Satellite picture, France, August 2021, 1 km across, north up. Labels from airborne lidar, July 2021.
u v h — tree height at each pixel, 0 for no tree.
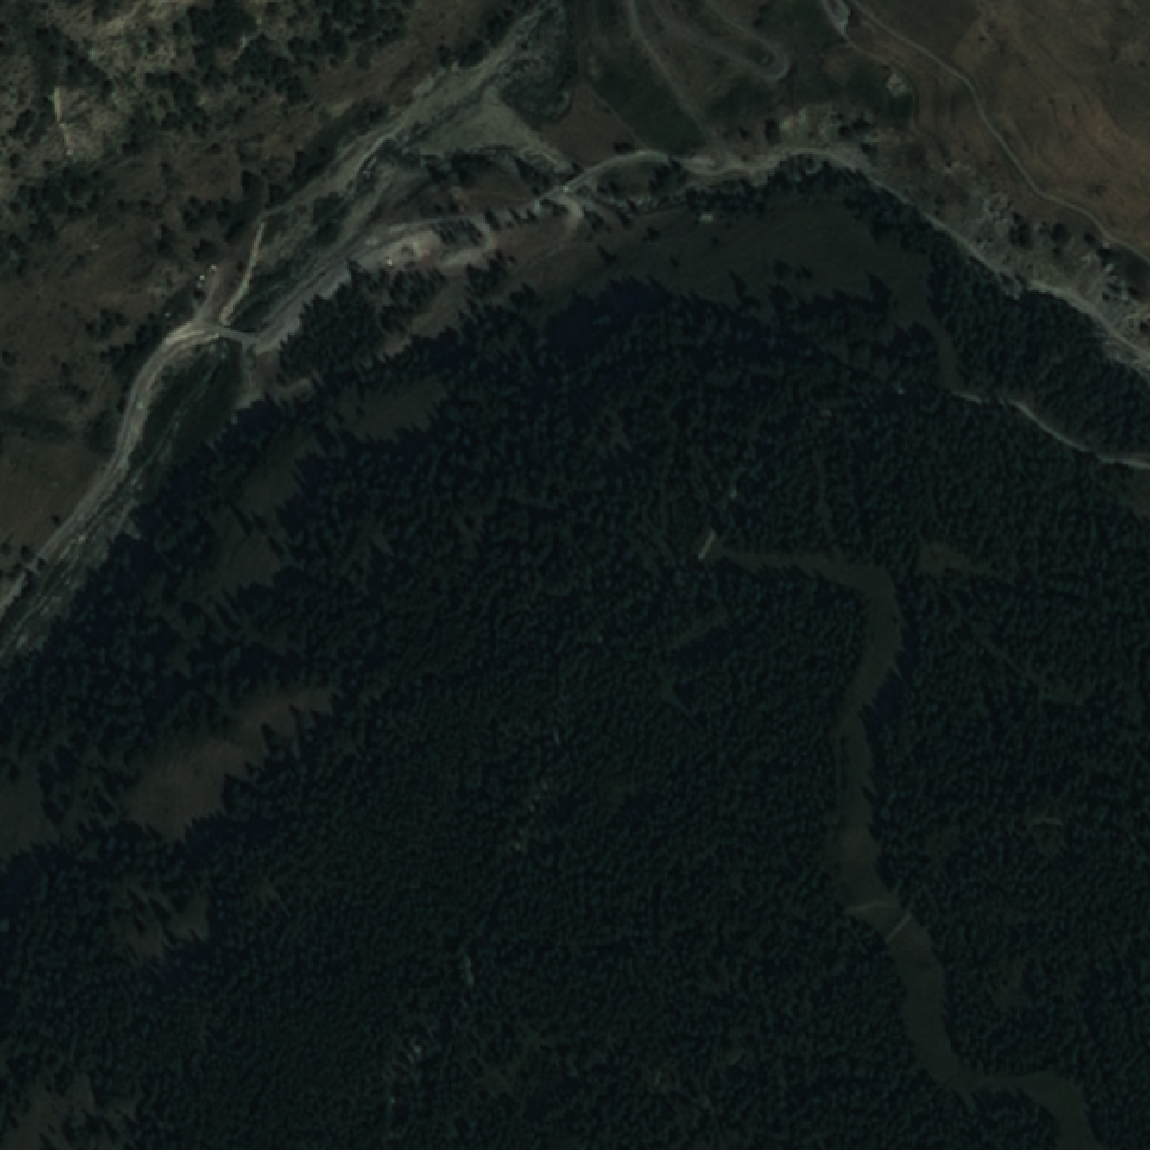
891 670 0
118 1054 24
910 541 18
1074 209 0
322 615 15
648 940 17
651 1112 12
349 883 24
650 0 0
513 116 0
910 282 0
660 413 22
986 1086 0
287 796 23
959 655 21
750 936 14
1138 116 0
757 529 22
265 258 0
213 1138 19
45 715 29
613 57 0
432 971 16
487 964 20
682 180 8
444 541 13
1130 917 19
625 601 17
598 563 22
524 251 0
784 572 0
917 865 15
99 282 0
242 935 31
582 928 17
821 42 0
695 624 20
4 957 25
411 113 0
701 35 0
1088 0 0
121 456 0
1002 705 8
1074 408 15
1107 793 20
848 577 0
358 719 14
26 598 13
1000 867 22
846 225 0
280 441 30
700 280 0
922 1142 13
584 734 21
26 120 12
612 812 23
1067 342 15
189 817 0
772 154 0
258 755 0
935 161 0
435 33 0
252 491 0
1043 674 20
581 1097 22
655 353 13
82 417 0
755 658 22
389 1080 19
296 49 21
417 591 20
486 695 21
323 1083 17
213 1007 26
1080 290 0
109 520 0
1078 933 23
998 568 21
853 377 7
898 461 15
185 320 0
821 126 0
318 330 12
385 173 0
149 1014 28
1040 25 0
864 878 0
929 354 21
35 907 29
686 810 20
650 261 0
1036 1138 18
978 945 16
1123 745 22
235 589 0
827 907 18
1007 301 19
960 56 0
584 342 12
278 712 0
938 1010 0
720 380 30
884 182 0
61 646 14
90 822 0
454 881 22
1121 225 0
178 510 18
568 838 22
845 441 9
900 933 0
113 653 27
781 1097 20
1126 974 10
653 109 0
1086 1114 0
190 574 29
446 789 21
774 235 0
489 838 17
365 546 9
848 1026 16
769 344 17
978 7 0
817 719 23
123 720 29
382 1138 19
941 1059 0
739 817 15
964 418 23
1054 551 14
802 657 18
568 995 15
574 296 0
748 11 0
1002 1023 21
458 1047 20
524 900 21
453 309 0
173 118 11
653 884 17
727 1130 8
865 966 18
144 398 0
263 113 0
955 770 19
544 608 14
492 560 17
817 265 0
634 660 23
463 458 14
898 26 0
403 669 14
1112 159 0
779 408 29
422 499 26
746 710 16
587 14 0
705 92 0
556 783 20
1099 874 18
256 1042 24
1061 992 16
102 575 7
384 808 22
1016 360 14
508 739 18
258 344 0
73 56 21
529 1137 24
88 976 29
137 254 0
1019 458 13
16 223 0
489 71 0
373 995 22
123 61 0
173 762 0
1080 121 0
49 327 0
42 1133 0
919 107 0
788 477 20
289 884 25
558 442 25
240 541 0
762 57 0
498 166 8
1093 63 0
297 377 14
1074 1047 18
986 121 0
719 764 20
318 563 21
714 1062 20
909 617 6
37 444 0
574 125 0
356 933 29
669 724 21
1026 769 22
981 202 0
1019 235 9
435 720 18
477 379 24
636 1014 16
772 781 24
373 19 19
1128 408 8
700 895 18
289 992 26
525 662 17
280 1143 20
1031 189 0
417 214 0
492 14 0
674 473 8
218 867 26
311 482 0
